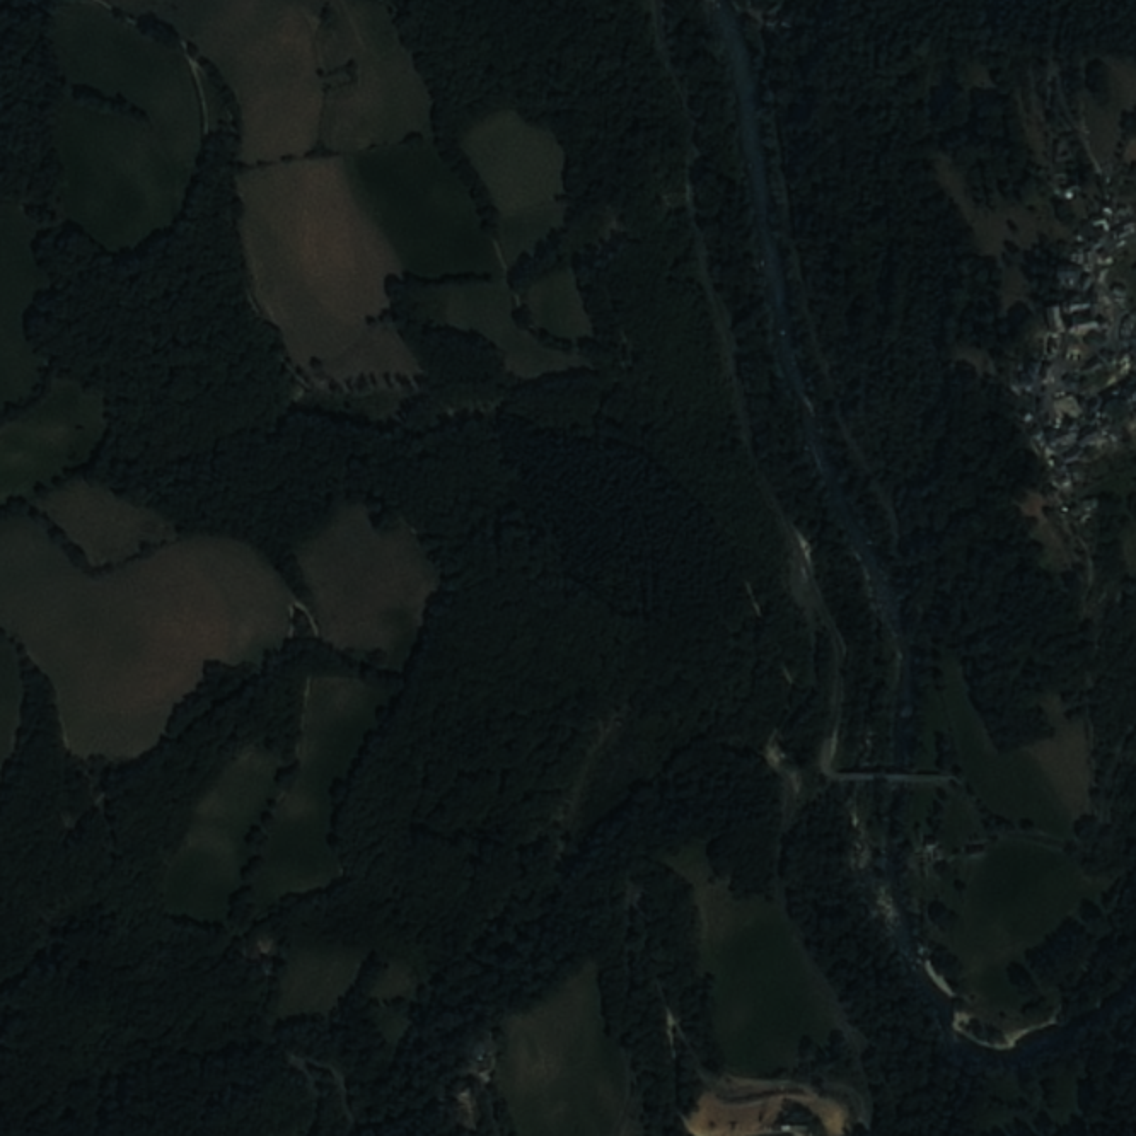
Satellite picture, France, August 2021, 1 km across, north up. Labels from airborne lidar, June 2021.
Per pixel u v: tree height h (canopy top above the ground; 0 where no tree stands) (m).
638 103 23
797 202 8
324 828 0
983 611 27
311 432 30
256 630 0
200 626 0
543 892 24
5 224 0
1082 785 0
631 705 19
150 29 14
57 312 19
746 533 16
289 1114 13
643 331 25
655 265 22
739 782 20
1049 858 0
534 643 25
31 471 0
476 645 26
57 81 16
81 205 0
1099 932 35
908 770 12
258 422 22
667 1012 13
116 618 0
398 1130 13
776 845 19
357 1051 16
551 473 16
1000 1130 0
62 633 0
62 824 19
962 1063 16
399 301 16
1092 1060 33
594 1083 0
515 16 28
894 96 19
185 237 17
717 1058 18
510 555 27
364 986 15
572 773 22
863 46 19
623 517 16
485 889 28
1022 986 31
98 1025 21
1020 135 15
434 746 23
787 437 13
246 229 0
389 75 0
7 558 0
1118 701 16
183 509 18
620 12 17
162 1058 27
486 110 14
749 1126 0
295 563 18
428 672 22
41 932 29
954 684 0
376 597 0
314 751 0
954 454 15
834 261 27
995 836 10
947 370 11
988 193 14
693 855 0
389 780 22
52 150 11
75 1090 30
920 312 7
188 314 22
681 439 20
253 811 0
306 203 0
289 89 0
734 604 20
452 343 19
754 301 10
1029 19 22
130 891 21
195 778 21
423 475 23
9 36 18
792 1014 0
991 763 0
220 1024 19
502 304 0
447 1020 24
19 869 23
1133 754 14
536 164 0
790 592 6
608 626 23
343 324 0
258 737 16
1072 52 9
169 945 22
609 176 13
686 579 19
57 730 18
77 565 12
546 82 26
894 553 11
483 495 9
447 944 17
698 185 23
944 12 19
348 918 21
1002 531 21
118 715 0
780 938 0
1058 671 11
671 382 13
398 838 23
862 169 14
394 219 0
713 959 0
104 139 0
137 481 24
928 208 20
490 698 19
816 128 19
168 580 0
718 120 32
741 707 17
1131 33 7
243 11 0
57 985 24
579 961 15
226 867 0
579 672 28
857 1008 23
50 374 11
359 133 0
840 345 6
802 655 21
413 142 11
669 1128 12
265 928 8
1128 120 11
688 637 15
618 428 25
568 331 0
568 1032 0
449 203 0
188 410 21
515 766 26
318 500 20
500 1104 14
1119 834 9
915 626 21
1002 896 0
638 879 15
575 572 7
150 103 0
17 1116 27
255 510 19
